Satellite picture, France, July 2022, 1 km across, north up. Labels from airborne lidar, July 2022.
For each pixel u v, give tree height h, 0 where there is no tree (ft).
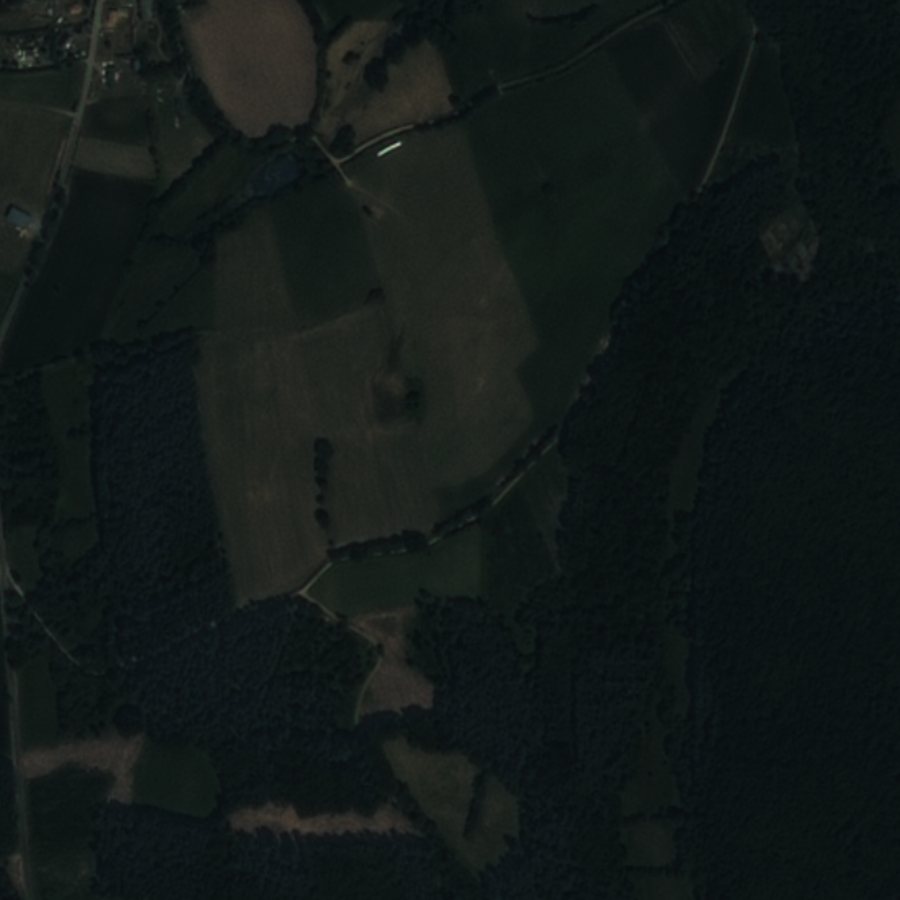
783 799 69
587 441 56
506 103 0
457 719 104
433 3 57
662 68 0
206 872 74
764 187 77
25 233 0
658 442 64
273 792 100
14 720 0
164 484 64
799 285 61
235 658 90
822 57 59
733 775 61
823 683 68
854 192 51
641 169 0
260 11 0
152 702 85
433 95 0
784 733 82
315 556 0
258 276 0
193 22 0
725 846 64
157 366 96
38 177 0
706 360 78
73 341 0
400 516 0
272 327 0
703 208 37
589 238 0
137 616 57
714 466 51
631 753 86
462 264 0
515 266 0
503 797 0
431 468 0
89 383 0
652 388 67
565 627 48
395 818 0
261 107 0
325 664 28
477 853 0
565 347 0
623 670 75
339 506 0
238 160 0
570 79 0
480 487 0
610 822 81
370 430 0
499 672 66
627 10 0
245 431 0
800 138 53
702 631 88
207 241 64
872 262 67
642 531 79
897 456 62
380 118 0
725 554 70
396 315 0
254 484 0
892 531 65
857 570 70
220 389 0
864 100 82
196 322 0
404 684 0
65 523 24
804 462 63
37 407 30
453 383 0
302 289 0
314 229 0
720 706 65
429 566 0
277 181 0
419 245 0
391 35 0
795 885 66
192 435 82
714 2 0
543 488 0
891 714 68
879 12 62
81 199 0
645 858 0
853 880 71
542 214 0
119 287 0
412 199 0
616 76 0
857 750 69
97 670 25
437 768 0
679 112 0
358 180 0
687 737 33
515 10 0
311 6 53
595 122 0
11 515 18
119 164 0
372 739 95
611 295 0
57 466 24
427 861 81
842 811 72
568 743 74
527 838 44
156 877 74
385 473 0
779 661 67
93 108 0
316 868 85
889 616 65
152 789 0
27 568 0
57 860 0
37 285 0
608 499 72
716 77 0
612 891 81
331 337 0
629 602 44
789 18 58
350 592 0
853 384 72
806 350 68
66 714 69
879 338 68
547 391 0
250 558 0
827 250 62
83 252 0
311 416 0
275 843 101
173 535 65
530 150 0
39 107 0
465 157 0
